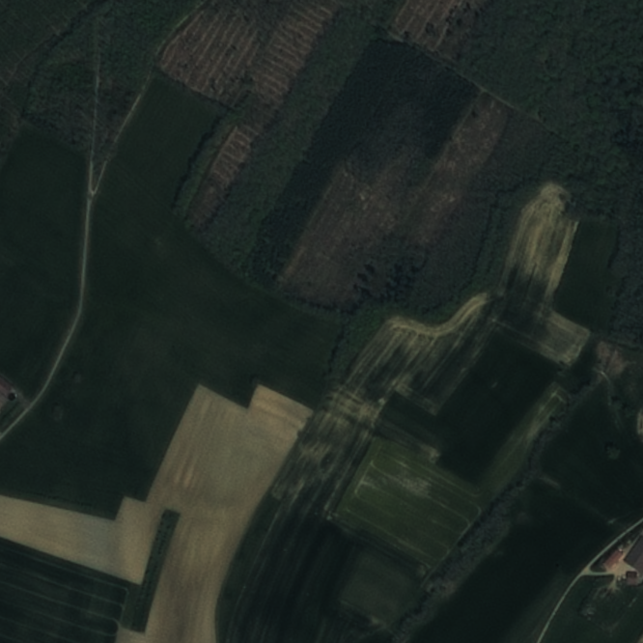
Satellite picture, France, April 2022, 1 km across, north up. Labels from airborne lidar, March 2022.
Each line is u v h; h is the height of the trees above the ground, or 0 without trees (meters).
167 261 0
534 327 0
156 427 0
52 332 0
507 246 19
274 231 17
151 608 0
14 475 0
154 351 0
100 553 0
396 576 0
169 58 0
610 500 0
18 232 0
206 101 13
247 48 0
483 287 23
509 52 24
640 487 0
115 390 0
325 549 0
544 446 17
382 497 0
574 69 29
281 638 0
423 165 11
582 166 18
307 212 17
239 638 0
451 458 0
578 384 0
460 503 0
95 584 0
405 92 13
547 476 0
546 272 0
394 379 0
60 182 0
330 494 0
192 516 0
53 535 0
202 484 0
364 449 0
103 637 0
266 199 24
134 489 0
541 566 0
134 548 0
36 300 0
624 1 29
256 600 0
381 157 15
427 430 0
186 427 0
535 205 0
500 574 0
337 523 0
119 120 26
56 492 0
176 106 0
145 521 0
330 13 0
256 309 0
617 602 0
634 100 25
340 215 0
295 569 0
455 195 0
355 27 22
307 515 0
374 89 18
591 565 0
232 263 24
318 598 0
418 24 0
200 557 0
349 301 0
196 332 0
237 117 17
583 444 0
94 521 0
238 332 0
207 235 20
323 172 18
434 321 20
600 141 24
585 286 0
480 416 0
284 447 0
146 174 0
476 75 20
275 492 0
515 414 0
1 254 0
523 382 0
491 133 0
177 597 0
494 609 0
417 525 0
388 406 0
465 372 0
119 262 0
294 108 23
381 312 25
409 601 0
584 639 0
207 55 0
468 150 0
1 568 0
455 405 0
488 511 0
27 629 0
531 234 0
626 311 20
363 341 13
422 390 0
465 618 0
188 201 19
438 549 0
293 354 0
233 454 0
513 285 0
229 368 0
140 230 0
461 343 0
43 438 0
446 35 0
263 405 0
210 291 0
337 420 0
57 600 0
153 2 21
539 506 0
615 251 0
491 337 0
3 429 0
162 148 0
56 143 0
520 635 0
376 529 0
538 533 0
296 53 0
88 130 20
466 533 0
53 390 0
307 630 0
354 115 18
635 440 0
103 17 20
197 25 0
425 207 0
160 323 0
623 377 0
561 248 0
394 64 18
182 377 0
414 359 0
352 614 0
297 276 0
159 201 0
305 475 0
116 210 0
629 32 24
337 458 0
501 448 0
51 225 0
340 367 19
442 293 21
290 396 0
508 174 17
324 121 20
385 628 0
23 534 0
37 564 0
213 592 0
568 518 0
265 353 0
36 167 0
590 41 26
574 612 0
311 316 14
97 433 0
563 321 0
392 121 11
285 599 0
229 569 0
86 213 0
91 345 0
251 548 0
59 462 0
